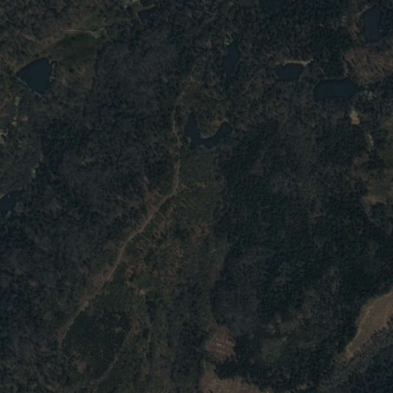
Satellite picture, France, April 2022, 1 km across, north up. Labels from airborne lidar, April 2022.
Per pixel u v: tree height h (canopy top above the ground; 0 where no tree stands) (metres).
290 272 21
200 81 13
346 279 18
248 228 16
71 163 16
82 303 0
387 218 7
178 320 22
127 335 7
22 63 22
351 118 10
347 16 7
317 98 0
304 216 17
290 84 15
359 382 20
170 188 10
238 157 16
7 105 7
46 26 20
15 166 17
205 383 0
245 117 17
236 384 0
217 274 8
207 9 29
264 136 17
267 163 17
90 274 8
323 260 14
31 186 12
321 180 15
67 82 13
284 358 16
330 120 17
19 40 21
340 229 21
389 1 9
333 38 17
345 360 0
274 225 17
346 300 17
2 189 11
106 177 19
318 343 19
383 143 16
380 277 17
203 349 27
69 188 26
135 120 24
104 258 11
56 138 18
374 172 11
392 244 20
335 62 18
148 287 12
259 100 10
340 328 20
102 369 6
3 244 23
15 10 10
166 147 7
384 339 33
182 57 19
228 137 15
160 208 5
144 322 7
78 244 26
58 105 24
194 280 8
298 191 12
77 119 25
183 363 23
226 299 20
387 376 25
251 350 14
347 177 15
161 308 11
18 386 15
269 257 19
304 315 13
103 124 22
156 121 16
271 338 11
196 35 10
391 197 0
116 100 24
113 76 21
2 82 21
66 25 23
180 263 12
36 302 23
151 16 22
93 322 9
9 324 27
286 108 21
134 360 9
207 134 15
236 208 10
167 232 8
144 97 22
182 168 10
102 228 25
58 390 7
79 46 0
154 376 11
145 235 6
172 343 17
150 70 27
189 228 9
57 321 10
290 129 6
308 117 18
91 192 18
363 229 22
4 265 24
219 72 15
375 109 18
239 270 17
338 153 20
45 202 21
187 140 8
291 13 18
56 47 0
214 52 12
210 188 10
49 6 16
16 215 26
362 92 15
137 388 8
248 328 15
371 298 22
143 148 5
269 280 18
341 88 0
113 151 6
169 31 21
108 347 9
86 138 17
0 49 21
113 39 6
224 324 15
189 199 15
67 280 13
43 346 18
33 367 21
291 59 10
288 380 12
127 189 20
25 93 19
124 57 26
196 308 13
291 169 12
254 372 15
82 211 16
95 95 21
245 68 15
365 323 0
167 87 20
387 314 0
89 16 22
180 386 19
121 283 11
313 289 11
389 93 22
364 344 0
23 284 19
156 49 25
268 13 19
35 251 16
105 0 23
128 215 17
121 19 19
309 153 16
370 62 23
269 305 14
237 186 14
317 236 17
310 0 13
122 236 10
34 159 16
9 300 10
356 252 18
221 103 8
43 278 21
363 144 17
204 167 12
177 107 8
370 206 0
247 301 13
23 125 16
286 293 19
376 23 0
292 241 18
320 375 20
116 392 11
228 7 7
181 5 25
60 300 19
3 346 19
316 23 19
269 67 17
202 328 8
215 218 15
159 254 6
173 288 9
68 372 7
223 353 0
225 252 7
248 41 11
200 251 10
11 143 18
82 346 6
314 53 21
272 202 19
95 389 12
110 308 9
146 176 17
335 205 21
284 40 16
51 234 16
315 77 20
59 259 24
